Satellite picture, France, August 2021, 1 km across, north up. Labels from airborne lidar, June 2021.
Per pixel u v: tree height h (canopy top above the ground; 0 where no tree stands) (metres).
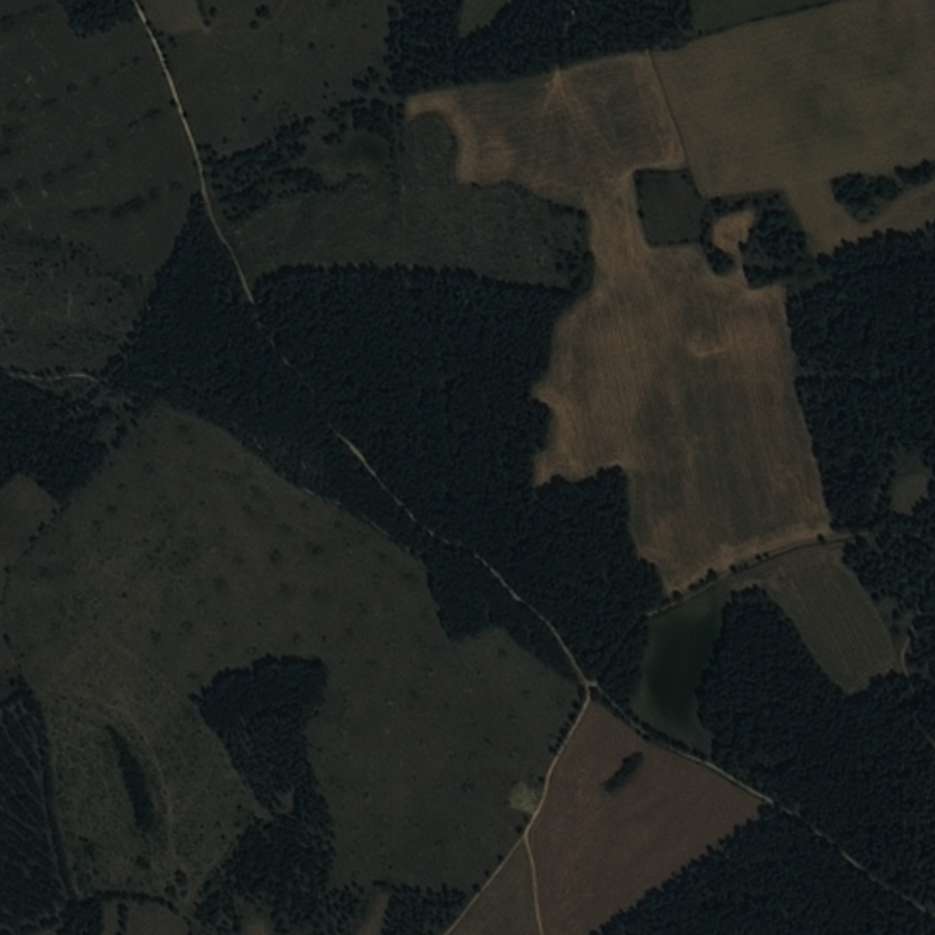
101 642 0
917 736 17
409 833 0
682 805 0
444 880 0
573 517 16
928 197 0
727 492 0
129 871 0
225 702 16
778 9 0
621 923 15
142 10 6
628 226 0
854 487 16
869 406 22
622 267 0
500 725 0
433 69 13
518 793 0
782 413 0
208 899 9
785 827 18
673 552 0
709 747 0
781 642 21
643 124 0
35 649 0
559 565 18
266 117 0
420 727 0
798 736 20
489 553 16
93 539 0
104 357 0
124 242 0
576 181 0
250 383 14
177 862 0
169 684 0
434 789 0
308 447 9
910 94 0
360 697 0
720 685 18
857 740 24
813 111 0
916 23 0
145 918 0
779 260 15
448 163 0
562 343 0
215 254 16
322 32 0
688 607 0
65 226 0
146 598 0
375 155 0
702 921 21
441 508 17
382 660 0
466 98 0
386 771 0
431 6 15
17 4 0
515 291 17
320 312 15
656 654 0
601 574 16
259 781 17
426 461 18
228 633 0
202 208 13
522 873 0
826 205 0
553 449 0
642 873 0
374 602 0
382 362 19
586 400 0
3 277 0
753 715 18
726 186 0
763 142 0
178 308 16
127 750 7
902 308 23
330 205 0
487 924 0
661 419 0
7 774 14
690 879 16
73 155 0
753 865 19
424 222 0
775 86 0
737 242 0
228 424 9
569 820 0
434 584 15
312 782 14
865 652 0
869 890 16
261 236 0
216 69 0
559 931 0
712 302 0
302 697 16
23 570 0
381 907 0
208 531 0
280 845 6
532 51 15
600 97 0
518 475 19
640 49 13
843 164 0
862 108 0
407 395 16
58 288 0
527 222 0
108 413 13
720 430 0
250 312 14
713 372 0
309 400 15
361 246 0
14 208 0
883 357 20
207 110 0
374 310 16
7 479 8
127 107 0
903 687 13
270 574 0
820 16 0
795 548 0
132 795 8
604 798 0
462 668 0
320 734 0
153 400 10
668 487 0
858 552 16
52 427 16
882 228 0
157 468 0
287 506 0
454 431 14
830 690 19
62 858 11
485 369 20
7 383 12
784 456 0
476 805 0
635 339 0
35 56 0
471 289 19
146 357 11
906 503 0
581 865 0
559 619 17
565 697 0
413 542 14
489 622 9
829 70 0
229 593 0
